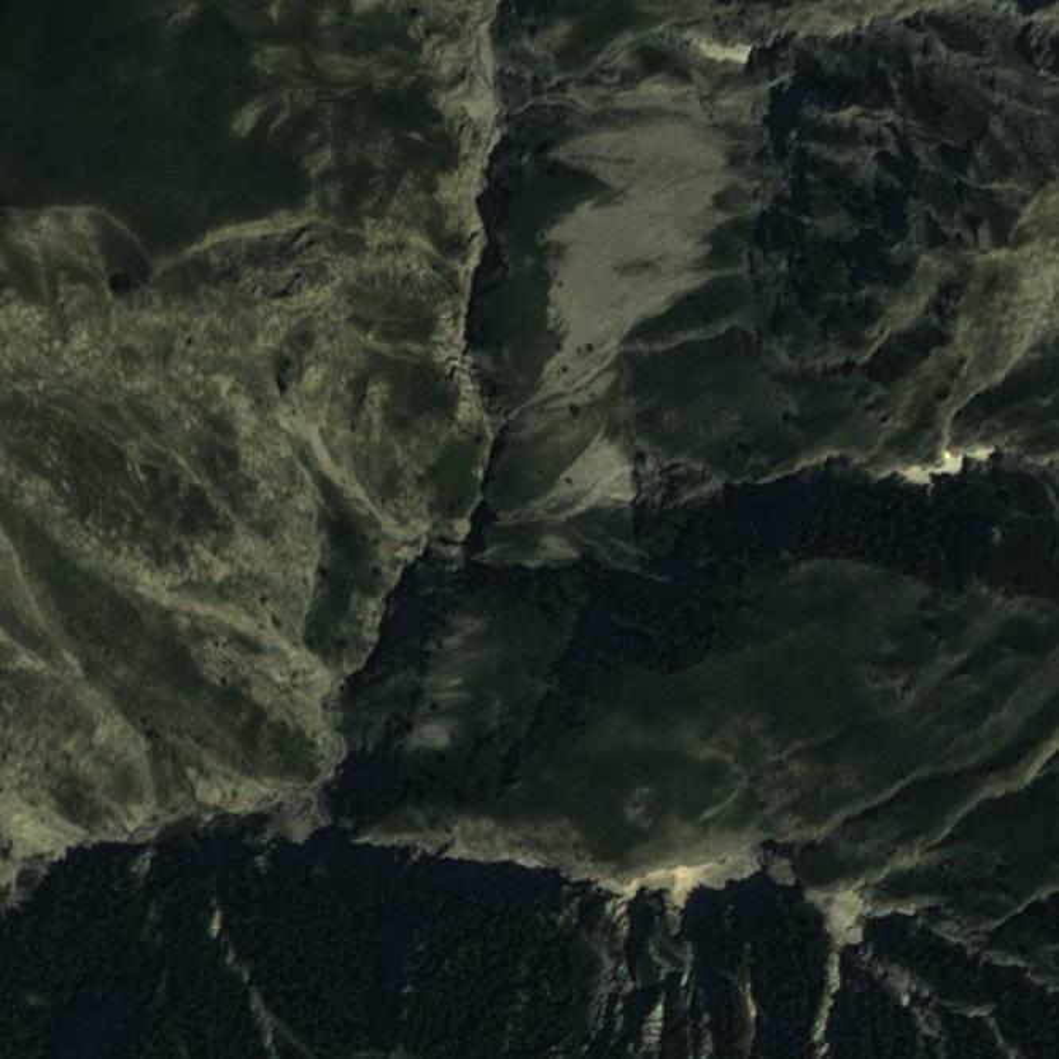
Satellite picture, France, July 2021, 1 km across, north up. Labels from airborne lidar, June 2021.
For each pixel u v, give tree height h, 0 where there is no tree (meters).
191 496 0
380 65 0
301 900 20
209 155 0
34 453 0
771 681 0
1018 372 0
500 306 0
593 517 0
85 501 0
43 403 0
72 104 0
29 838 0
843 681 0
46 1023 6
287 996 13
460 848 0
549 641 0
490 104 0
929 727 0
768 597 0
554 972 15
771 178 0
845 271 0
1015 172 0
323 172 0
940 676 0
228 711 0
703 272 0
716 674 0
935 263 0
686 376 0
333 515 0
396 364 0
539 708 0
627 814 0
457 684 0
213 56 0
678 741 0
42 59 0
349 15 0
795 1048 21
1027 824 0
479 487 15
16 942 7
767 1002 8
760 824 0
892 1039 20
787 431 0
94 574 0
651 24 0
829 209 0
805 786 0
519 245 0
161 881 7
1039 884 0
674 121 0
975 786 0
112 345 0
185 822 0
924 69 0
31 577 0
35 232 0
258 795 0
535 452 0
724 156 0
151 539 0
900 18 0
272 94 0
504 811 0
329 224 0
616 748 0
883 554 9
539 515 0
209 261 0
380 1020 7
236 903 8
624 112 0
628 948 0
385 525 0
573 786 0
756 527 14
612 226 0
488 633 0
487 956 9
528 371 0
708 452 0
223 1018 20
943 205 0
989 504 0
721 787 0
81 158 0
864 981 6
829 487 7
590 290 0
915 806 0
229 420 0
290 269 0
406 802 10
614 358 0
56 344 0
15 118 0
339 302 0
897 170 0
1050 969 0
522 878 0
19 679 0
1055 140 0
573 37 0
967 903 0
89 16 0
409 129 0
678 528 0
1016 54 0
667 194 0
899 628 0
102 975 15
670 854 0
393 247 0
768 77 0
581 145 0
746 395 0
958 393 0
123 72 0
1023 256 0
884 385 0
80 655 0
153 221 0
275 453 0
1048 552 0
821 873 0
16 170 0
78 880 22
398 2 0
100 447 0
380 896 18
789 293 0
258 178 0
